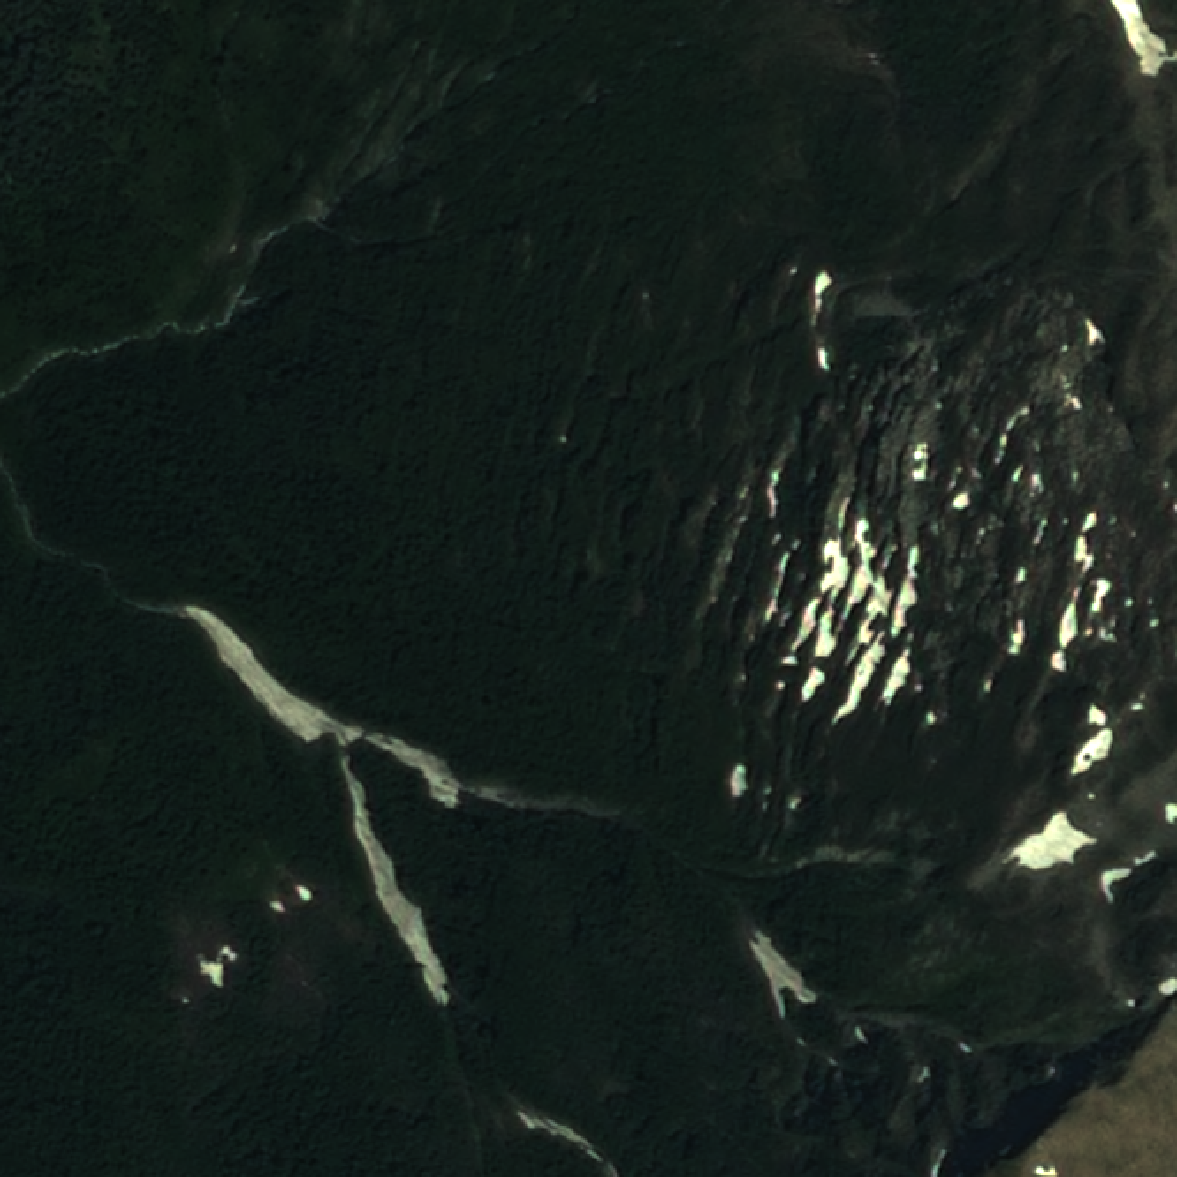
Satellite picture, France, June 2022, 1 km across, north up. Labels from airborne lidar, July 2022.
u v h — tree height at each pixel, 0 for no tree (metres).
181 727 7
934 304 0
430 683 6
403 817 6
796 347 0
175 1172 6
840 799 0
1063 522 0
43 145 12
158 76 11
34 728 7
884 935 0
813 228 0
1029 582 0
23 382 0
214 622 0
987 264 0
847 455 0
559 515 6
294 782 8
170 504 8
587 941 7
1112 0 0
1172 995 0
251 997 7
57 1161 8
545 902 6
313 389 7
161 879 9
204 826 8
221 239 0
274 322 7
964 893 0
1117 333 0
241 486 7
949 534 0
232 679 0
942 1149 0
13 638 6
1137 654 0
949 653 0
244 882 0
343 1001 6
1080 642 0
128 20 15
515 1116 0
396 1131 7
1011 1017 0
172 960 6
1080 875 0
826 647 0
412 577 10
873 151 0
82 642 7
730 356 0
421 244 6
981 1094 0
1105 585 0
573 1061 6
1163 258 0
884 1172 0
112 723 8
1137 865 0
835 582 0
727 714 0
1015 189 0
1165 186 0
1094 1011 0
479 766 6
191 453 10
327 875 6
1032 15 0
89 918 6
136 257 6
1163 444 0
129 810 7
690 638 0
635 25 0
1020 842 0
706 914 5
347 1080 7
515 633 8
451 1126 7
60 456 10
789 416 0
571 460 5
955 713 0
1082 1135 0
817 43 0
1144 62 0
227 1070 6
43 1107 7
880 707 0
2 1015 9
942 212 0
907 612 0
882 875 6
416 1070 7
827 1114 7
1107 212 0
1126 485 0
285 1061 7
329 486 7
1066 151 0
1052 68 0
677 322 0
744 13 0
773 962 0
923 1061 0
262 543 8
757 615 0
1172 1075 0
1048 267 0
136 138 8
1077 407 0
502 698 8
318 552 8
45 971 6
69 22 13
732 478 0
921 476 0
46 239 10
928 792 0
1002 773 0
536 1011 6
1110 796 0
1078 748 0
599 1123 5
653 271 0
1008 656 0
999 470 0
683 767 6
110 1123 6
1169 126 0
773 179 0
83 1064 7
